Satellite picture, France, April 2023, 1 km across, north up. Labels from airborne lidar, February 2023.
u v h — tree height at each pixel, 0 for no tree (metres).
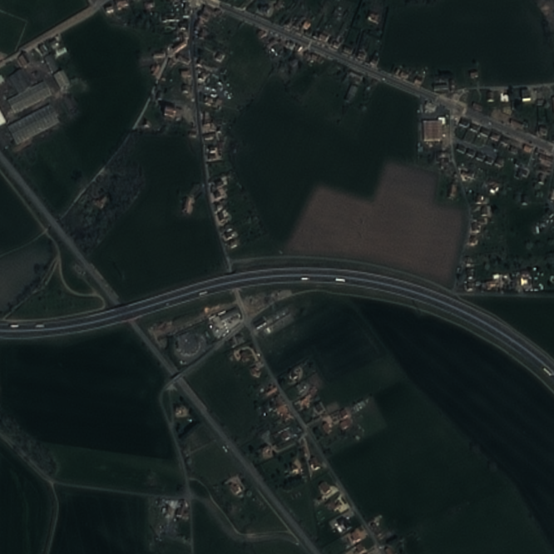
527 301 0
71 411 0
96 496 0
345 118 0
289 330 0
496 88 0
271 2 0
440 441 0
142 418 0
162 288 0
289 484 12
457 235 0
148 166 0
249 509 0
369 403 0
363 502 0
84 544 0
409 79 6
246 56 0
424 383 0
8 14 0
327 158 0
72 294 0
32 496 0
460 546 0
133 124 0
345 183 0
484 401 0
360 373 0
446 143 0
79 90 0
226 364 0
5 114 0
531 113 0
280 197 0
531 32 0
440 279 0
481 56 0
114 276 0
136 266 0
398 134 0
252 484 0
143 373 0
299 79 0
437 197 0
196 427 13
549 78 0
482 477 0
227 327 0
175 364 7
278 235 0
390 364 0
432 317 0
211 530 0
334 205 0
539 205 0
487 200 0
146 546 0
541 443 0
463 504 0
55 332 0
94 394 0
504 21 0
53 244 13
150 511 0
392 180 0
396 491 0
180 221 0
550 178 0
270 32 0
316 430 9
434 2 11
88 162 0
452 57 0
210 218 0
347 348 0
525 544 0
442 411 0
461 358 0
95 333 0
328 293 0
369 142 0
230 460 0
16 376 0
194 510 0
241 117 0
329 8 0
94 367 0
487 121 0
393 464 0
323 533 0
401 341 0
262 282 0
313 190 0
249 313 0
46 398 0
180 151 0
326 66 0
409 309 0
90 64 0
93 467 0
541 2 13
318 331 0
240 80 0
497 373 0
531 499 0
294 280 0
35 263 0
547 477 0
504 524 0
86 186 21
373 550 0
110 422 0
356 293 0
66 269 0
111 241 0
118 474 0
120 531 0
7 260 0
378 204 0
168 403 0
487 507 0
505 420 0
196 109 0
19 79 0
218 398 0
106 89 0
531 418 0
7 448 0
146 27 9
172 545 0
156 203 0
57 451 0
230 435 0
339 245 0
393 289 0
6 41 0
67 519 0
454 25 0
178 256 0
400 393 0
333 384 0
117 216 13
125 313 0
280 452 0
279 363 0
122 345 0
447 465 0
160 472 0
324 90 0
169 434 0
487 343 0
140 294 0
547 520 0
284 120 0
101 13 0
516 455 0
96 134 0
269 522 0
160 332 0
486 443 0
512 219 0
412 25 0
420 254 0
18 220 0
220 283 0
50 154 0
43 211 0
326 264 0
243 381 0
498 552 0
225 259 0
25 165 0
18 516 0
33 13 0
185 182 0
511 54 0
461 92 0
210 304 0
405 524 0
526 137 0
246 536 0
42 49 0
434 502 0
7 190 0
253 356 0
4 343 0
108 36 0
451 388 0
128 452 0
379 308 0
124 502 0
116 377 0
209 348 0
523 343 0
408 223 0
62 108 0
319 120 0
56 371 0
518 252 0
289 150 0
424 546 0
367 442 0
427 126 0
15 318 0
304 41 0
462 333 0
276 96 0
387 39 0
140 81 0
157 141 0
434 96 0
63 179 0
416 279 0
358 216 0
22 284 0
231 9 0
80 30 0
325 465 0
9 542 0
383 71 0
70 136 0
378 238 0
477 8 0
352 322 0
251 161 0
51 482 0
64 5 0
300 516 0
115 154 14
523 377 0
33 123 0
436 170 0
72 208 7
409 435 0
